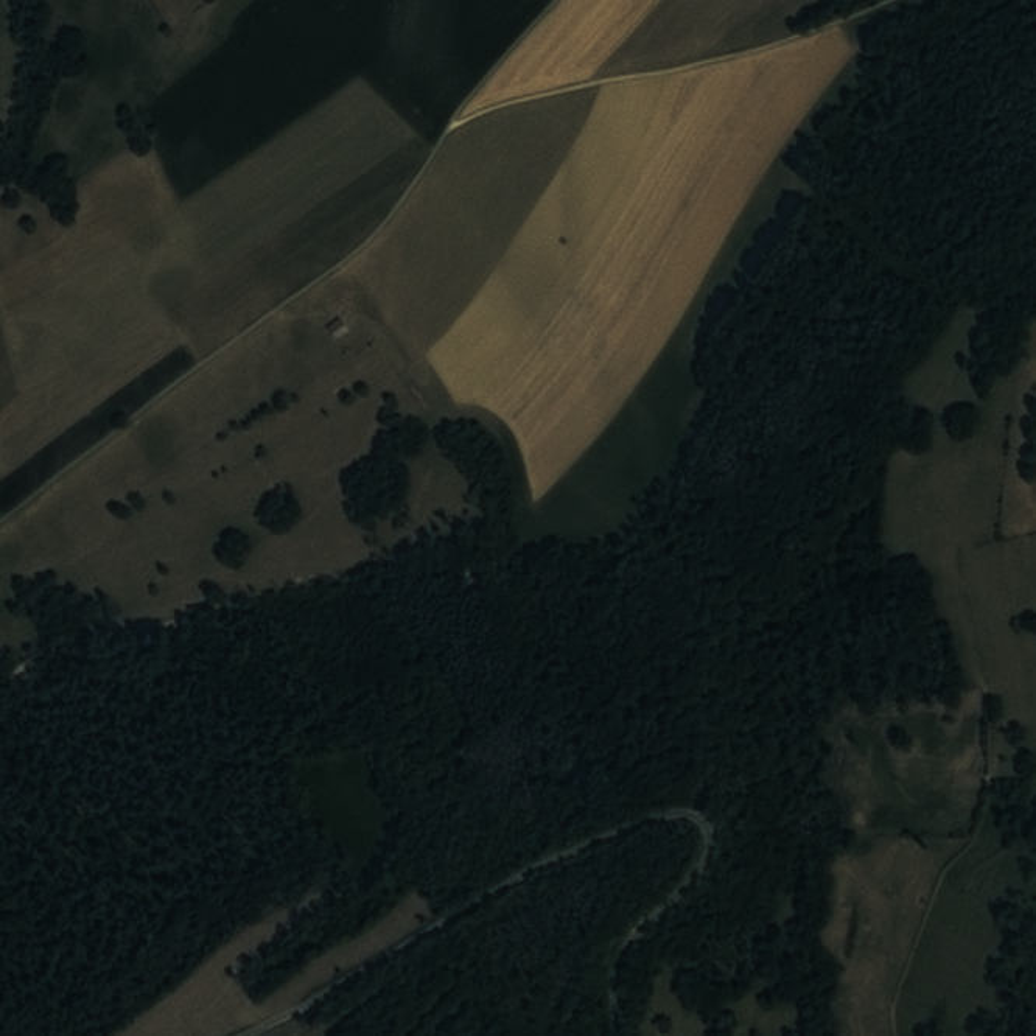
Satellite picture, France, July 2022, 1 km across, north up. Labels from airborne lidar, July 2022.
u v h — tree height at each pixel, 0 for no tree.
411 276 0
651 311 0
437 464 0
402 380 0
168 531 0
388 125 0
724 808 16
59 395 0
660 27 0
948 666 7
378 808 0
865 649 37
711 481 28
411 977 14
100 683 28
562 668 20
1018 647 0
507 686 25
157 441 0
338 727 18
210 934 17
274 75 0
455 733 10
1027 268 26
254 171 0
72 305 0
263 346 0
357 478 18
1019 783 6
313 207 0
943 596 0
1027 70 24
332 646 9
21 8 13
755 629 26
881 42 22
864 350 23
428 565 22
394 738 14
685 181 0
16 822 23
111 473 0
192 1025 0
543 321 0
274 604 6
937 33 13
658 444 0
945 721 8
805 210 34
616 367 0
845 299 19
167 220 0
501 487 7
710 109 0
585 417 0
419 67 0
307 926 22
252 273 0
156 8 0
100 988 22
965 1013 0
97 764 29
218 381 0
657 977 12
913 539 0
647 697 22
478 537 16
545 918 16
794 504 27
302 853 22
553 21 0
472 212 0
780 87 0
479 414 0
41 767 7
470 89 0
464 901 18
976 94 20
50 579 16
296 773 22
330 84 0
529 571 30
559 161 0
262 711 17
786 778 25
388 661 18
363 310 0
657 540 20
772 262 33
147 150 12
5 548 0
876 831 0
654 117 0
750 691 27
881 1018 0
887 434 22
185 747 8
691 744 27
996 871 0
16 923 25
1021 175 30
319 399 0
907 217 17
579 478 0
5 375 0
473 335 0
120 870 13
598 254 0
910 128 18
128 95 0
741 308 29
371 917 16
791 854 25
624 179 0
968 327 0
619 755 25
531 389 0
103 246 0
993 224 33
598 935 14
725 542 18
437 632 20
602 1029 22
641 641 29
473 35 0
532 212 0
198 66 0
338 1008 14
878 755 0
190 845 29
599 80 0
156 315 0
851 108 7
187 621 19
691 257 0
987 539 0
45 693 27
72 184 17
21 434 0
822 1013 33
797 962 21
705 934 29
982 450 0
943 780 0
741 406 25
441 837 22
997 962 10
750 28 0
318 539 0
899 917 0
